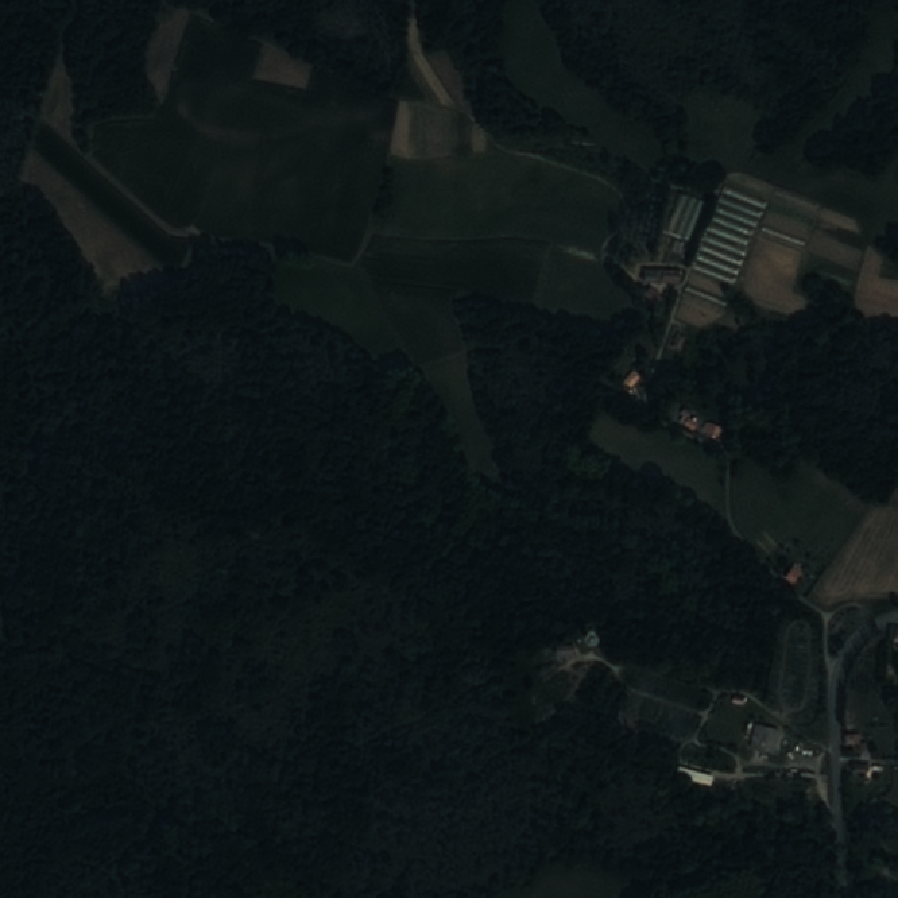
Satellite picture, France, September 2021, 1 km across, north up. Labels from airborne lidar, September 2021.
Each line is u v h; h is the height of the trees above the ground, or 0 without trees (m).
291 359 19
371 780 10
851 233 0
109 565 22
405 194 0
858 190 0
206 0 20
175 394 12
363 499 24
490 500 20
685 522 17
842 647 9
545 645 16
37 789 16
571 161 7
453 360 0
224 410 15
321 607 20
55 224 18
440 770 15
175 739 8
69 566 24
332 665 6
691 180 18
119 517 27
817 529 0
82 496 22
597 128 0
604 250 0
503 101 21
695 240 10
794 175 0
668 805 7
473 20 13
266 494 14
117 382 22
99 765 19
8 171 21
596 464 22
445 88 0
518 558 25
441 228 0
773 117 11
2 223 17
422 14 13
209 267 24
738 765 0
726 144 0
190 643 21
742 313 12
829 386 20
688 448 0
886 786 0
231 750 24
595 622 16
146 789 22
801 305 0
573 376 16
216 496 20
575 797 17
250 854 27
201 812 21
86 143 11
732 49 6
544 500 29
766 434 12
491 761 8
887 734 0
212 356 6
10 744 12
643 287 8
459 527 25
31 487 12
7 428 7
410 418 20
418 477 11
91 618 15
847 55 18
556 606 17
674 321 0
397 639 8
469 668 11
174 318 18
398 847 19
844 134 19
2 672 12
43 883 19
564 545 17
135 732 7
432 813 17
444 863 18
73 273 29
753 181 0
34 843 16
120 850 9
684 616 23
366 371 24
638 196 6
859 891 15
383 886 12
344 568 9
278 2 19
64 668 17
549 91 0
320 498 15
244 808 26
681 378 27
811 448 23
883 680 14
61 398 12
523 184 0
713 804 22
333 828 20
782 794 0
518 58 0
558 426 18
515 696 8
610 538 26
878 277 0
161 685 22
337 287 0
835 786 0
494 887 15
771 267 0
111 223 0
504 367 7
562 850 20
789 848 20
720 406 9
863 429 21
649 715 0
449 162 0
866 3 17
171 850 22
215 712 6
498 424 17
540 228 0
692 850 9
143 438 23
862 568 0
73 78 17
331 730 22
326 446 25
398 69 11
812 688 0
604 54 9
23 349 9
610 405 22
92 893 10
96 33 28
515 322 8
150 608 10
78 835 18
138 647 14
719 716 0
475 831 19
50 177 0
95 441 17
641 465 0
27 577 26
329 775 22
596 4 15
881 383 12
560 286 0
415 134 0
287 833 6
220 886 27
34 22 27
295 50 23
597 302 0
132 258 0
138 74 19
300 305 0
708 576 23
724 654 26
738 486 0
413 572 17
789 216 0
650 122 15
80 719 19
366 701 9
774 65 18
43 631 21
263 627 11
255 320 14
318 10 9
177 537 8
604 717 8
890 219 0
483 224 0
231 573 13
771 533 0
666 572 27
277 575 17
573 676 0
